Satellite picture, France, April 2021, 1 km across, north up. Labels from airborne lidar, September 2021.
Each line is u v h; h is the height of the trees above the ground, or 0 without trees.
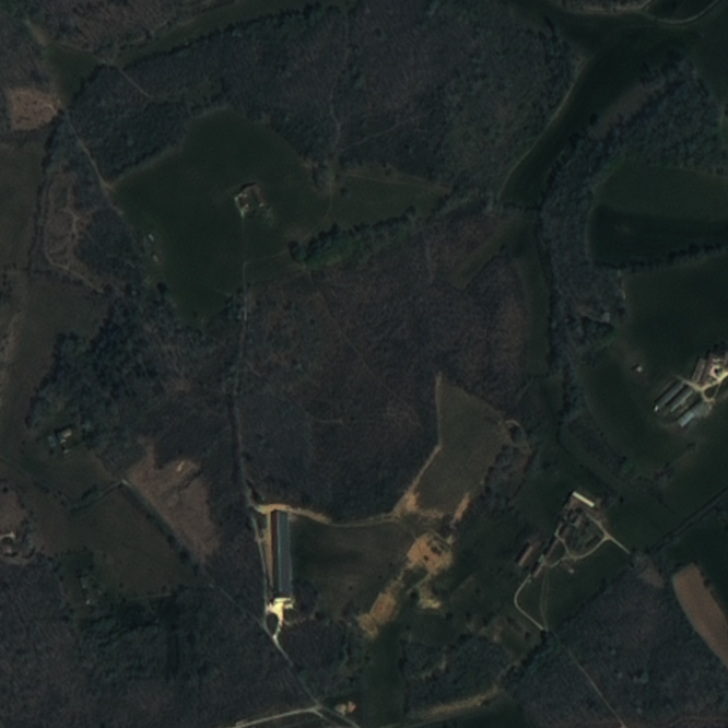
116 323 17
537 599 0
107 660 14
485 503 17
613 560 0
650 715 18
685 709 19
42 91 24
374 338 8
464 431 0
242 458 19
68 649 6
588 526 14
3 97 22
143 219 0
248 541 6
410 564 0
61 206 0
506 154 14
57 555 7
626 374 0
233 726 0
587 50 0
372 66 8
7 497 0
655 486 7
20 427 0
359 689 17
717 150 24
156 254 0
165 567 0
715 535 0
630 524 0
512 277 6
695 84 10
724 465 0
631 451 0
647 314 0
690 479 0
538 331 0
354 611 17
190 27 0
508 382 6
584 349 20
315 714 0
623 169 0
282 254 0
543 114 23
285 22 13
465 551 0
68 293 0
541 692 21
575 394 11
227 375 7
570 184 10
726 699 24
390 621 0
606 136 0
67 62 0
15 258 0
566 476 0
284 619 10
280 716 0
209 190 0
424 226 6
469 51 14
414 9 10
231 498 13
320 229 0
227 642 7
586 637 16
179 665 12
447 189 15
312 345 10
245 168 0
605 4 14
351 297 7
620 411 0
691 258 16
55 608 10
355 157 6
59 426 0
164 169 0
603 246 0
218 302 0
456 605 0
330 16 13
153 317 14
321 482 17
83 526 0
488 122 16
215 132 0
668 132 19
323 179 19
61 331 0
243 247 0
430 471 0
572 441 0
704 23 0
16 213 0
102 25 12
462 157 18
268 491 16
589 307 17
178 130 10
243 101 0
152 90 10
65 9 17
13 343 0
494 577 0
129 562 0
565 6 15
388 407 10
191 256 0
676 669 14
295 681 16
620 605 15
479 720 0
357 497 6
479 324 6
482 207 11
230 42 11
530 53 13
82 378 20
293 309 9
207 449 9
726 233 0
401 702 0
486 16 16
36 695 13
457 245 6
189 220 0
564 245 15
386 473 6
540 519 0
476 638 11
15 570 10
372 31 13
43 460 0
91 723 5
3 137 13
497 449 0
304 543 0
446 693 14
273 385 14
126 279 11
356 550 0
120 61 0
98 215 11
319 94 15
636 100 0
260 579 10
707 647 9
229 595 11
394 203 0
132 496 11
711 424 0
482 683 14
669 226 0
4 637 11
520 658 0
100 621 9
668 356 0
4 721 17
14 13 23
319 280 7
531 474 16
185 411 9
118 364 15
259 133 0
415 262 7
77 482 0
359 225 0
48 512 0
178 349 17
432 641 0
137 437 9
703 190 0
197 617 20
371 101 8
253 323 7
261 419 13
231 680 9
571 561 0
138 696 12
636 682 20
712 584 11
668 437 0
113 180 12
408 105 7
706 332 0
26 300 0
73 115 11
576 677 22
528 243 0
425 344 7
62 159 25
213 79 7
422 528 0
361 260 20
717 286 0
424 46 12
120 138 8
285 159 0
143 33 15
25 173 0
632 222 0
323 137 14
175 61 9
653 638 13
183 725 12
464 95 10
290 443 16
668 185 0
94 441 15
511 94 15
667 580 21
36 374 0
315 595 13
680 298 0
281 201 0
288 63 10
